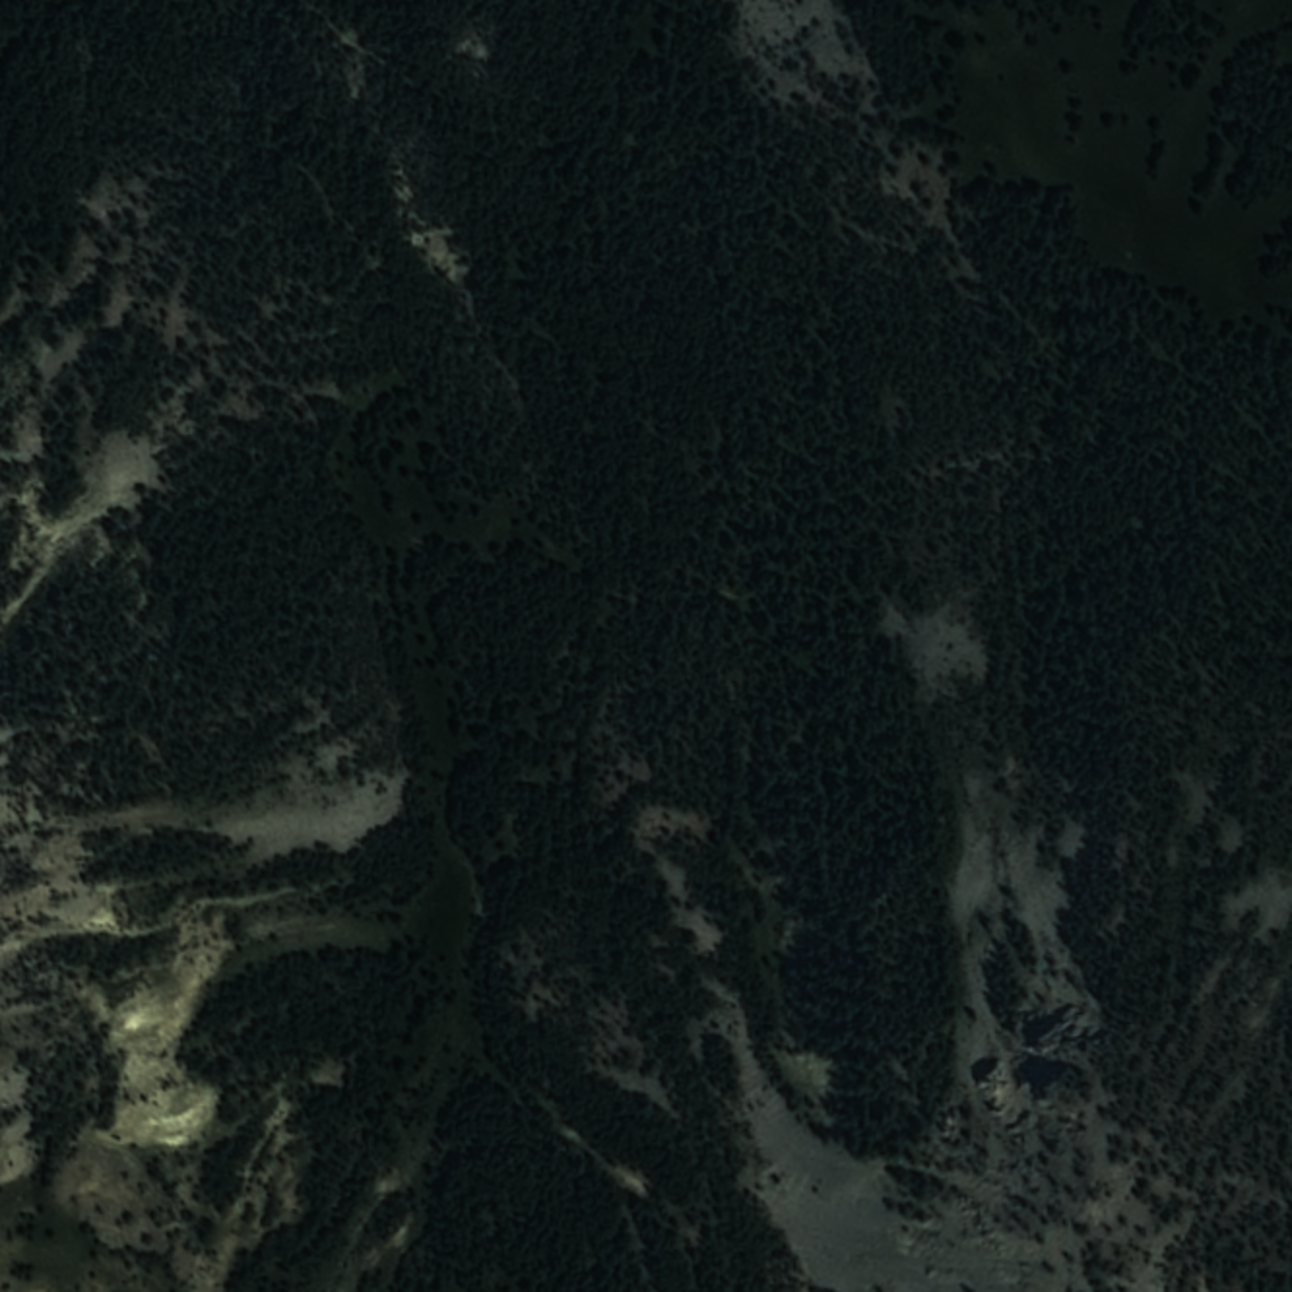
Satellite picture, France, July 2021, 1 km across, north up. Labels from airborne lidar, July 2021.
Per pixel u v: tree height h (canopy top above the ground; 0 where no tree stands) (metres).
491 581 17
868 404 25
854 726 18
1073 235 20
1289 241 14
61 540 0
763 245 17
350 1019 16
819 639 23
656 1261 11
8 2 18
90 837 8
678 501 16
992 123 0
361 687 9
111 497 0
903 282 19
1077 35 0
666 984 15
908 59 26
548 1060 13
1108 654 19
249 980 13
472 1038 0
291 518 15
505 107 16
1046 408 18
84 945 16
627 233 14
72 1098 7
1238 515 26
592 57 21
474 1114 16
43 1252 0
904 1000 21
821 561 22
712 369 14
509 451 16
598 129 19
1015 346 26
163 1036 0
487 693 19
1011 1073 0
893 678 28
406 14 21
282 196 19
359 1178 8
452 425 15
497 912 12
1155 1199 8
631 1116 16
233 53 9
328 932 0
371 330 18
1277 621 17
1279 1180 12
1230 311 0
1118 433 29
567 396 18
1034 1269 0
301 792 0
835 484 22
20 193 21
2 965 0
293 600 9
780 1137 0
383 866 18
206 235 6
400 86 17
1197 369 24
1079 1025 0
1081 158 0
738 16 11
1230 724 6
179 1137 0
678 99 12
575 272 15
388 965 18
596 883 19
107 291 12
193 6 21
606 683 15
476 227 21
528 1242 15
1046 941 0
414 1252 8
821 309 23
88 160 11
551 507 16
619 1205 21
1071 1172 0
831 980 13
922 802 25
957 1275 0
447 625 16
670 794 15
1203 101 0
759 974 11
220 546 19
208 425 7
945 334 21
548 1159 17
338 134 22
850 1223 0
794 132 14
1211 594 25
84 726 9
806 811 28
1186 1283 13
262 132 15
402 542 0
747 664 10
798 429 23
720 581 19
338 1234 7
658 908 23
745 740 25
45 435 10
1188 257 0
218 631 8
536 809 22
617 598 11
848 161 17
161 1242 0
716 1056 15
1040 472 18
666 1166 15
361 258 18
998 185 11
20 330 22
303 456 8
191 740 9
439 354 16
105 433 6
